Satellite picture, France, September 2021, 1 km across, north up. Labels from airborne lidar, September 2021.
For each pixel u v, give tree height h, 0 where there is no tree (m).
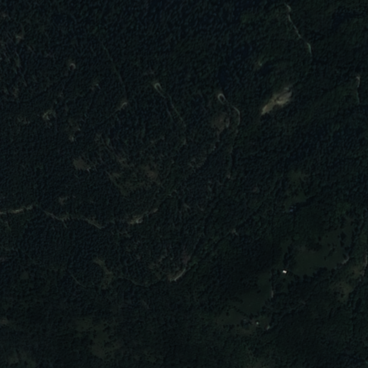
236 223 23
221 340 20
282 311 10
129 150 10
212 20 12
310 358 24
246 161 22
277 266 14
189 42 23
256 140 9
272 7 26
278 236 15
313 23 26
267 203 17
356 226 11
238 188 16
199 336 17
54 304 22
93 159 23
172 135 22
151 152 19
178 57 8
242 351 12
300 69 25
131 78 11
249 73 13
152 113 15
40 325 23
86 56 21
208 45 25
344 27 19
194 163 13
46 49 11
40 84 13
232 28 21
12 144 13
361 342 23
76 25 6
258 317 10
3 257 20
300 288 15
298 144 28
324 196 19
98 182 12
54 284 10
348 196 27
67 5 21
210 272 12
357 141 31
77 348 13
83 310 25
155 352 18
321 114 18
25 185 24
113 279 9
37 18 6
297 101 15
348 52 32
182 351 23
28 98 9
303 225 24
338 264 0
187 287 12
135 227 8
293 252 20
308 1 24
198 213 15
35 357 25
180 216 27
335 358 18
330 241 0
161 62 10
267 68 20
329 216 10
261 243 18
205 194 12
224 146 12
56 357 18
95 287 15
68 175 16
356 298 21
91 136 19
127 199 15
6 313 9
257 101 17
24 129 11
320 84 22
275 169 29
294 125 17
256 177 24
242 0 23
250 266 18
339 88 22
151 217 16
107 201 15
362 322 25
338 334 22
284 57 13
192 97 7
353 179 32
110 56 16
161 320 24
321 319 15
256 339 6
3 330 19
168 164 13
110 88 23
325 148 25
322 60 16
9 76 11
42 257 21
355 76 13
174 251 21
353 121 20
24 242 13
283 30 20
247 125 19
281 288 18
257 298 0
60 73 10
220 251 15
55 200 16
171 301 21
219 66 12
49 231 23
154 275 17
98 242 17
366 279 7
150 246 12
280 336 20
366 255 10
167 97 11
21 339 22
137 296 22
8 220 21
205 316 15
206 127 23
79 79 16
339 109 17
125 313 20
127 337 24
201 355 23
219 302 7
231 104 13
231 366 19
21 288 7
